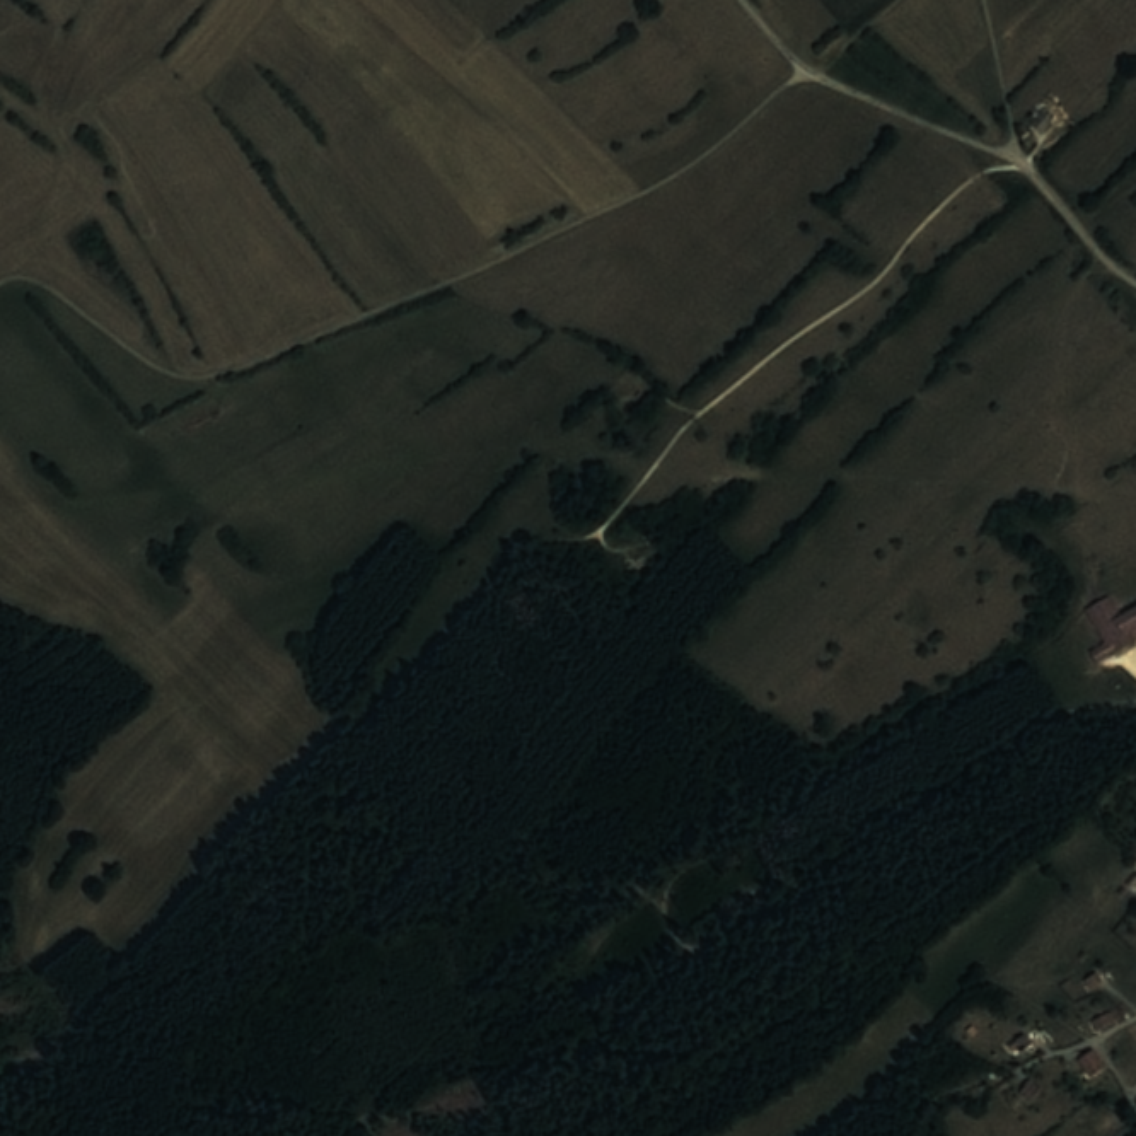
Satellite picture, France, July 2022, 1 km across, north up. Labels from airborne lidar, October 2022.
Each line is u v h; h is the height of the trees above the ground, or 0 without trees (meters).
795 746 14
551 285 0
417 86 0
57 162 0
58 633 14
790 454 0
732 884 0
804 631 0
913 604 0
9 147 0
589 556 8
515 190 0
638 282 0
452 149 0
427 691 23
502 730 26
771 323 16
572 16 0
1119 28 0
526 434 0
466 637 25
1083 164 0
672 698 12
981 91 0
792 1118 0
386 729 26
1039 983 0
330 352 0
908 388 0
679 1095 22
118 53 0
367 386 0
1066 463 0
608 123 0
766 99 0
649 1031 25
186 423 0
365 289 0
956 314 0
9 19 0
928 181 0
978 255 0
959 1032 0
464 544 8
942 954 0
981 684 12
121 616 0
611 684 23
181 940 20
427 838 24
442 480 0
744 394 0
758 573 9
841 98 0
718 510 13
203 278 0
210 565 0
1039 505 24
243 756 0
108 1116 22
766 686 0
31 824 15
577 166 0
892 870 21
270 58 0
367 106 0
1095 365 0
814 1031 23
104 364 0
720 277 0
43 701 22
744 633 0
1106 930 0
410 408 0
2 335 0
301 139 0
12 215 0
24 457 0
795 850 31
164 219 0
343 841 11
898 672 0
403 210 0
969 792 13
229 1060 13
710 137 0
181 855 0
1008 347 0
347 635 22
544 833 16
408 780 21
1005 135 0
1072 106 0
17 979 7
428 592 9
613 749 12
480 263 0
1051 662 0
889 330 9
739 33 0
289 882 20
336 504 0
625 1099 25
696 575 18
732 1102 25
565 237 0
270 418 0
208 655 0
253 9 0
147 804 0
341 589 16
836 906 20
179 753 0
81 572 0
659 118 0
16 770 17
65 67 0
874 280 0
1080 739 23
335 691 22
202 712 0
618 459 0
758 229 0
